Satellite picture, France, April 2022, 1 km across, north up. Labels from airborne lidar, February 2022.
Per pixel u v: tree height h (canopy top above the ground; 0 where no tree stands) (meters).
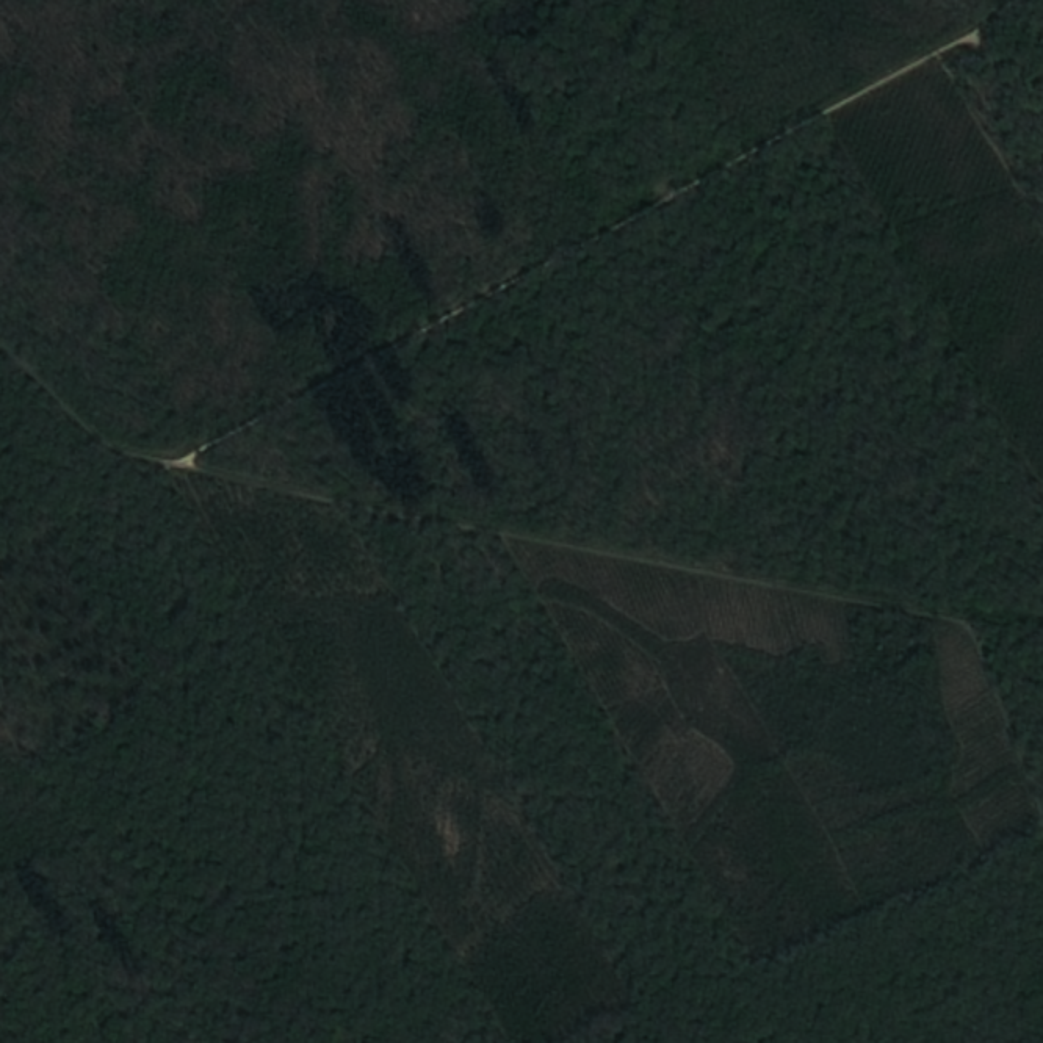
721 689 0
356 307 23
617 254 25
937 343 27
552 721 26
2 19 22
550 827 26
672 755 0
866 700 15
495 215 22
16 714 26
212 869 25
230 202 19
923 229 8
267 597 8
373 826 24
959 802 7
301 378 19
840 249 27
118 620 21
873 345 26
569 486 27
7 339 18
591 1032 22
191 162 22
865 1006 26
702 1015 27
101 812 26
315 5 24
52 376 24
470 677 25
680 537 23
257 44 21
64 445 23
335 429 25
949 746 21
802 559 22
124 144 21
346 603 8
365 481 22
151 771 22
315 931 25
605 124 26
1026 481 28
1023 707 21
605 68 25
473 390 22
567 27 27
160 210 20
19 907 29
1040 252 5
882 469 29
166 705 22
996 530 29
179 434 23
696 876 14
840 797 8
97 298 27
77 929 25
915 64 0
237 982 27
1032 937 23
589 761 27
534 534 17
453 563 21
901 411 28
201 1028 24
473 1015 24
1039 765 26
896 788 8
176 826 26
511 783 20
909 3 18
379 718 7
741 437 27
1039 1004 21
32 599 24
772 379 28
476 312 22
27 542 27
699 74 22
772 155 27
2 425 21
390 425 24
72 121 20
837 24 18
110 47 21
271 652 16
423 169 20
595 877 23
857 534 25
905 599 24
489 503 24
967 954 24
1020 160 10
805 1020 27
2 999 21
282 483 25
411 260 20
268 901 26
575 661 24
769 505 27
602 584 0
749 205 23
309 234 17
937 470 27
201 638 23
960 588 24
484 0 26
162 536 19
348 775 24
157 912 24
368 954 26
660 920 27
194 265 18
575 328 26
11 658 22
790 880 6
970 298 8
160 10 20
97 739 21
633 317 26
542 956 6
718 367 28
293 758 27
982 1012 25
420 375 25
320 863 26
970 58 21
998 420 21
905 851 8
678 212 27
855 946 22
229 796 30
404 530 23
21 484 27
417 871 6
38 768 21
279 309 18
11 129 20
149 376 26
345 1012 23
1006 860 23
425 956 23
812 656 7
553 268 21
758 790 8
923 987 23
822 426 28
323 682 8
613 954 18
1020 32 22
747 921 8
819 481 22
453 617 20
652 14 25
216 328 17
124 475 25
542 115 25
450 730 7
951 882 14
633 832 26
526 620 20
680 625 0
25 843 11
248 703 23
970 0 25
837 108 0
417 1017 22
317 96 23
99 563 26
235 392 18
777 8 13
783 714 9
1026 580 26
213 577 25
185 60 16
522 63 26
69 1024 22
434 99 19
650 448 27
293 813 25
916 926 20
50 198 19
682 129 27
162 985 24
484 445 26
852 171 25
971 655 0
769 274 23
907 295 29
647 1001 21
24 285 29
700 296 25
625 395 23
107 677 25
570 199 15
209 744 26
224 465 21
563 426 26
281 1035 26
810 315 23
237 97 22
